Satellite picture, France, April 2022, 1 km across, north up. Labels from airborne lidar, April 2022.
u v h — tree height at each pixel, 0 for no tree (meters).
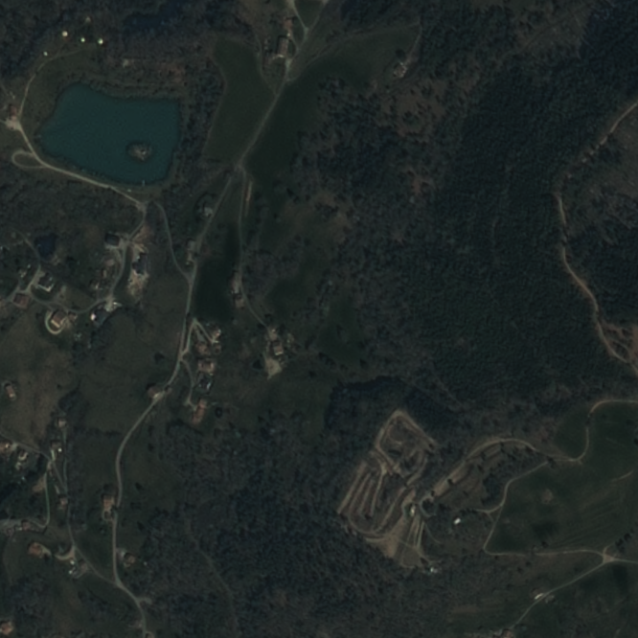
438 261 11
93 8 10
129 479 0
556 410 10
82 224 0
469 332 14
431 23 15
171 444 6
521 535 0
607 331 11
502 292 10
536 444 0
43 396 0
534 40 0
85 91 0
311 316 14
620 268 19
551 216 8
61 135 0
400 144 13
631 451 0
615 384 15
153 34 26
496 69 13
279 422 16
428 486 17
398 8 20
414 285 7
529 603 0
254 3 0
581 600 0
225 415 0
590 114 11
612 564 0
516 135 10
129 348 0
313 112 0
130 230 0
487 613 0
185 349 0
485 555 13
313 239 0
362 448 10
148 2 21
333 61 0
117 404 0
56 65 0
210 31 15
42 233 9
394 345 17
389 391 23
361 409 26
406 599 19
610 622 0
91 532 0
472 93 7
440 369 15
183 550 7
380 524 0
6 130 0
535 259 9
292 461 11
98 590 0
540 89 7
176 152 8
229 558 21
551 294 10
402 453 0
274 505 20
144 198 0
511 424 9
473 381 10
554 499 0
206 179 17
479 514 10
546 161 10
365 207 16
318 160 6
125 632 0
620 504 0
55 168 0
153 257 0
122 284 0
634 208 23
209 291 0
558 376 10
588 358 10
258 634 14
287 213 0
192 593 19
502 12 13
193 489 15
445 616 13
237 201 0
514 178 10
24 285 0
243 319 0
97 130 0
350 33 14
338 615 23
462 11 14
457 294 9
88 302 0
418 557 0
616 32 24
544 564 0
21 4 17
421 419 18
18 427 0
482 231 11
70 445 10
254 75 0
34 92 0
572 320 13
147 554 8
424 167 12
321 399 0
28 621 19
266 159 0
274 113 0
